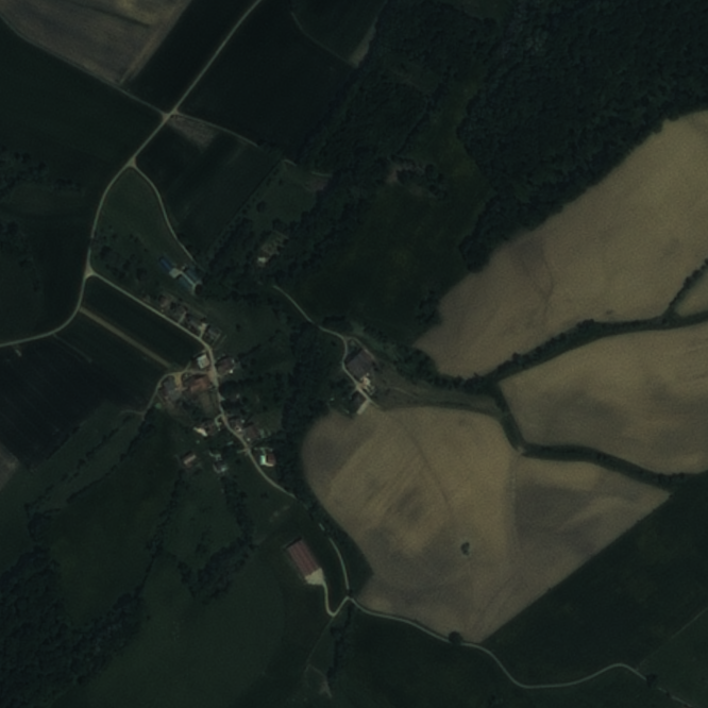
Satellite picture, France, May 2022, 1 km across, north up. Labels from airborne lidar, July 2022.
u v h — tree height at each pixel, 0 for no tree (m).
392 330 0
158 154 0
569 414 0
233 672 0
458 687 0
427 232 0
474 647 0
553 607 0
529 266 0
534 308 0
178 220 0
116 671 0
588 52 22
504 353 0
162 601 0
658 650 0
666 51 21
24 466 0
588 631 0
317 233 14
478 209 0
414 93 8
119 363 0
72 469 0
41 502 6
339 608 0
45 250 0
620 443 0
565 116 27
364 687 0
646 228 0
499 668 0
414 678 0
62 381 0
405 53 21
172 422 0
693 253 0
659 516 0
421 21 20
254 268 9
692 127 0
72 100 0
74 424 0
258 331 0
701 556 0
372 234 0
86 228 0
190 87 0
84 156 0
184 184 0
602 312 0
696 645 0
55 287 0
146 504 0
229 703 0
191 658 0
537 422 0
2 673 26
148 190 0
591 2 20
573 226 0
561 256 0
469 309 0
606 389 0
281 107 0
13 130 0
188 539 0
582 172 22
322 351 21
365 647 0
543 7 28
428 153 0
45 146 0
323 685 0
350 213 21
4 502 0
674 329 0
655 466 0
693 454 0
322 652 0
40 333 0
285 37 0
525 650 0
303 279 16
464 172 0
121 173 0
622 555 0
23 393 0
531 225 26
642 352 0
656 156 0
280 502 0
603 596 0
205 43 0
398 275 0
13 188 14
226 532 0
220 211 0
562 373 0
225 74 0
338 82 0
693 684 0
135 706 0
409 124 13
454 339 0
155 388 0
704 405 0
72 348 0
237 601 0
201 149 0
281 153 13
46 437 0
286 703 0
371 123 8
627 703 0
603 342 0
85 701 0
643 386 0
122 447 0
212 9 0
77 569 0
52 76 0
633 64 24
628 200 0
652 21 28
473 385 17
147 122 0
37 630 24
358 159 24
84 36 0
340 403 0
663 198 0
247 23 0
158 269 0
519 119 24
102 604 0
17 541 0
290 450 19
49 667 24
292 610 0
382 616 0
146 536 0
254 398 0
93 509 0
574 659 0
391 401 0
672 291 0
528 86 29
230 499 6
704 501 0
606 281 0
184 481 7
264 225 0
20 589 24
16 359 0
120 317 0
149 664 0
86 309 0
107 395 0
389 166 23
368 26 0
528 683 0
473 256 20
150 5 0
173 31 0
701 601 0
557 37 28
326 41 0
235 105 0
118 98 0
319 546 0
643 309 0
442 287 0
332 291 0
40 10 0
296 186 0
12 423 0
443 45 24
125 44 0
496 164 26
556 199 25
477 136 22
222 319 0
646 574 0
